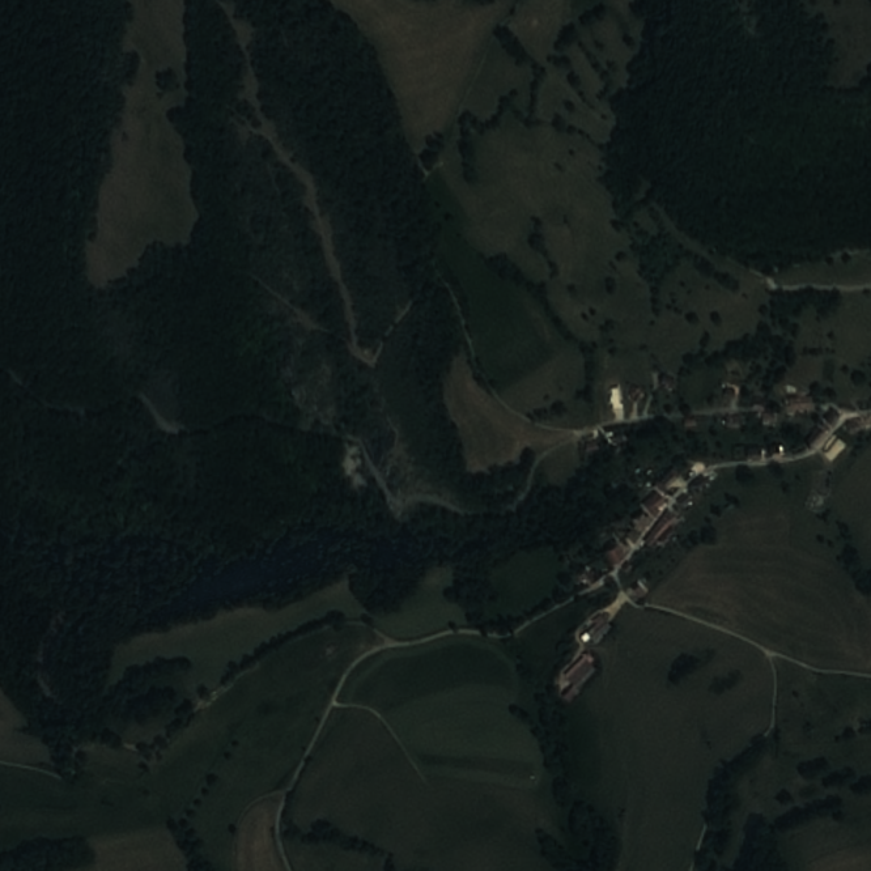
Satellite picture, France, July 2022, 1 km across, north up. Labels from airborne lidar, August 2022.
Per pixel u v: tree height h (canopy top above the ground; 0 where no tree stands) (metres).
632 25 0
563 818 0
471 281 0
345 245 6
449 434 10
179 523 26
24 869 20
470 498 8
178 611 18
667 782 0
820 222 22
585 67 0
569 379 0
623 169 12
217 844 0
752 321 0
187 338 20
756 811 0
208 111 15
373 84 15
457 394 0
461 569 13
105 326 7
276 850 0
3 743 0
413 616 0
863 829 0
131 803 0
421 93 0
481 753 0
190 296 23
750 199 19
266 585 17
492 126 12
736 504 12
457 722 0
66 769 20
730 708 0
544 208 0
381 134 16
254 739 0
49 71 18
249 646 0
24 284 21
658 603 0
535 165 0
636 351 0
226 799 0
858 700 0
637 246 8
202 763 0
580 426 0
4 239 21
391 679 0
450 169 0
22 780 0
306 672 0
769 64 9
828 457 0
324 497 24
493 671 0
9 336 19
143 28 0
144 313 14
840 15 0
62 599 21
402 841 0
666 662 0
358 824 0
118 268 0
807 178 16
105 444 28
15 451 11
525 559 0
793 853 0
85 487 21
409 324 6
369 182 13
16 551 24
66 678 16
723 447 7
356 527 22
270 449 18
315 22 10
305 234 11
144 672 17
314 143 13
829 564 0
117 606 29
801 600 0
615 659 0
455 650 0
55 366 17
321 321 8
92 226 7
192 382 19
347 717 0
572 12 0
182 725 11
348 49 18
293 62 11
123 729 0
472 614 15
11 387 20
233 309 17
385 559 41
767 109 9
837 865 0
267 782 0
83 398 17
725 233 18
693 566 0
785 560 0
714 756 0
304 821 0
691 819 0
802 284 0
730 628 0
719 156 11
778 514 0
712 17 12
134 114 0
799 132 13
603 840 18
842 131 13
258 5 17
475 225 0
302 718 0
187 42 9
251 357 19
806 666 0
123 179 0
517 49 17
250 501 22
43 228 18
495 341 0
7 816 0
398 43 0
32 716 9
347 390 7
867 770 0
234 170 6
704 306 0
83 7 13
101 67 7
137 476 23
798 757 0
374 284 9
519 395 0
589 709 0
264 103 8
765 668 0
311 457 20
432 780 0
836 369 0
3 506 21
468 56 0
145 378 12
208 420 19
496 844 0
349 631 0
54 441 18
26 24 20
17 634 16
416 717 0
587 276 0
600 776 0
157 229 0
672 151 7
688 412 16
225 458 18
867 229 17
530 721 11
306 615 0
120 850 0
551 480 0
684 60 17
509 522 19
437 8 0
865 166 18
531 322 0
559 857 9
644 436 12
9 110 19
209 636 0
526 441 0
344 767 0
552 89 0
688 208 18
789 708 0
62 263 12
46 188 22
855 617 0
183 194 0
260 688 0
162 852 0
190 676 0
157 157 0
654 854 0
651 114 21
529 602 0
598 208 0
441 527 25
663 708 0
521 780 0
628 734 0
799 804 0
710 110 17
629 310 0
